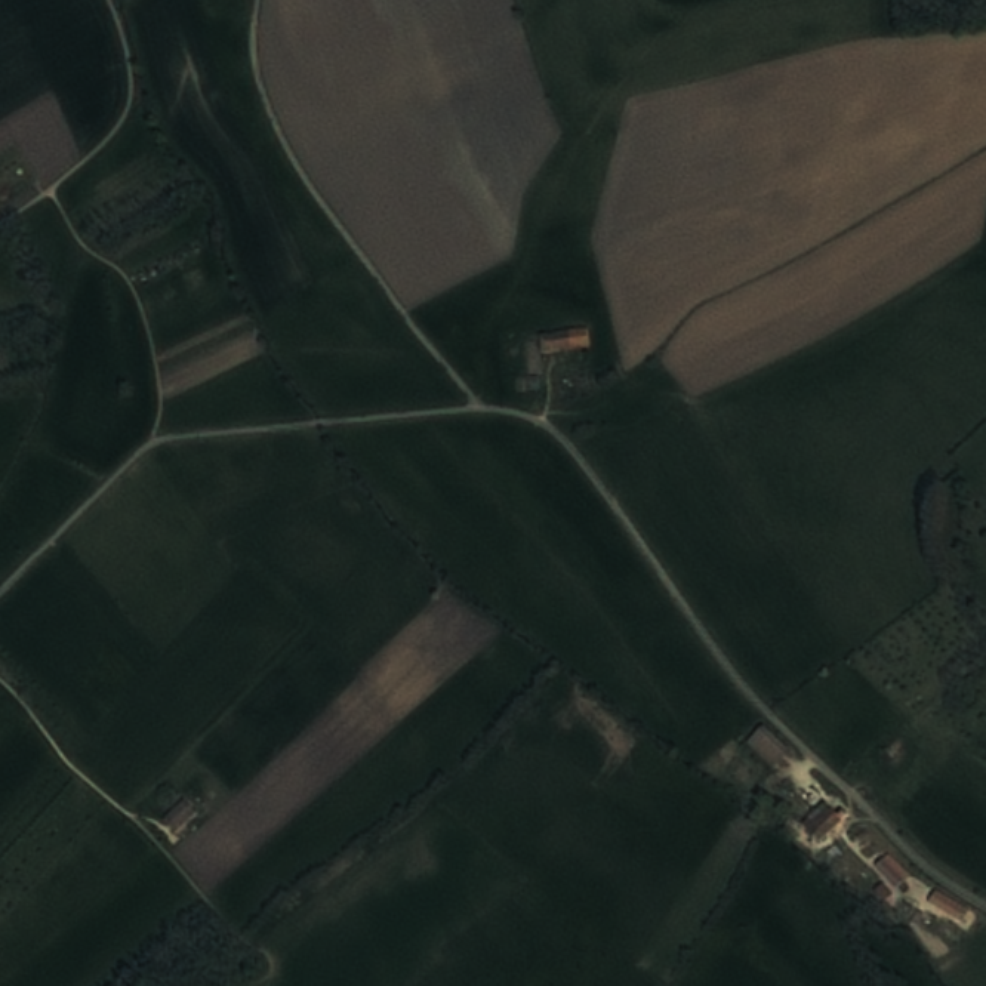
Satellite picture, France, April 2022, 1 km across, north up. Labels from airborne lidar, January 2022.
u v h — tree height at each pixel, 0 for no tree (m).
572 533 0
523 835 0
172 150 11
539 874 0
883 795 0
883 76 0
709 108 0
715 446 0
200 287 0
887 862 0
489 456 0
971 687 0
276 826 0
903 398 0
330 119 0
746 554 0
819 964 0
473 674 0
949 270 0
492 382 0
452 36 0
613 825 0
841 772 0
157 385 0
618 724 0
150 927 0
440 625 0
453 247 0
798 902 0
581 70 0
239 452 0
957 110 0
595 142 0
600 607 0
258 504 0
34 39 0
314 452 0
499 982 0
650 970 0
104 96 0
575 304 0
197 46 0
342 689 0
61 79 0
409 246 0
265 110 0
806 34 0
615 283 0
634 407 0
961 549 12
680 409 0
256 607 0
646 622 0
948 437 0
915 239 0
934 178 0
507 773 0
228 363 0
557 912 0
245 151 0
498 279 0
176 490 0
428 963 0
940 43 0
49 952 0
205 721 0
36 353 20
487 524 0
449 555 0
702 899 0
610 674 0
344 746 0
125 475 0
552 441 0
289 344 0
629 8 0
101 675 0
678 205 0
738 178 0
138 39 0
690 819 0
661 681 0
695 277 0
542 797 0
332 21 0
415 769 0
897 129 0
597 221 0
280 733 0
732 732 0
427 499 0
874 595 0
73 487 0
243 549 0
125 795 0
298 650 0
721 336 0
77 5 0
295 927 0
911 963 0
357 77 0
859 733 0
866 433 0
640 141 0
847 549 0
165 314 0
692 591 0
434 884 0
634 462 0
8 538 0
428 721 0
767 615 0
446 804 0
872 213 0
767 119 0
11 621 0
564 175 0
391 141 0
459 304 0
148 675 0
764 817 20
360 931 0
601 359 0
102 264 0
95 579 0
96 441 0
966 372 0
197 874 0
